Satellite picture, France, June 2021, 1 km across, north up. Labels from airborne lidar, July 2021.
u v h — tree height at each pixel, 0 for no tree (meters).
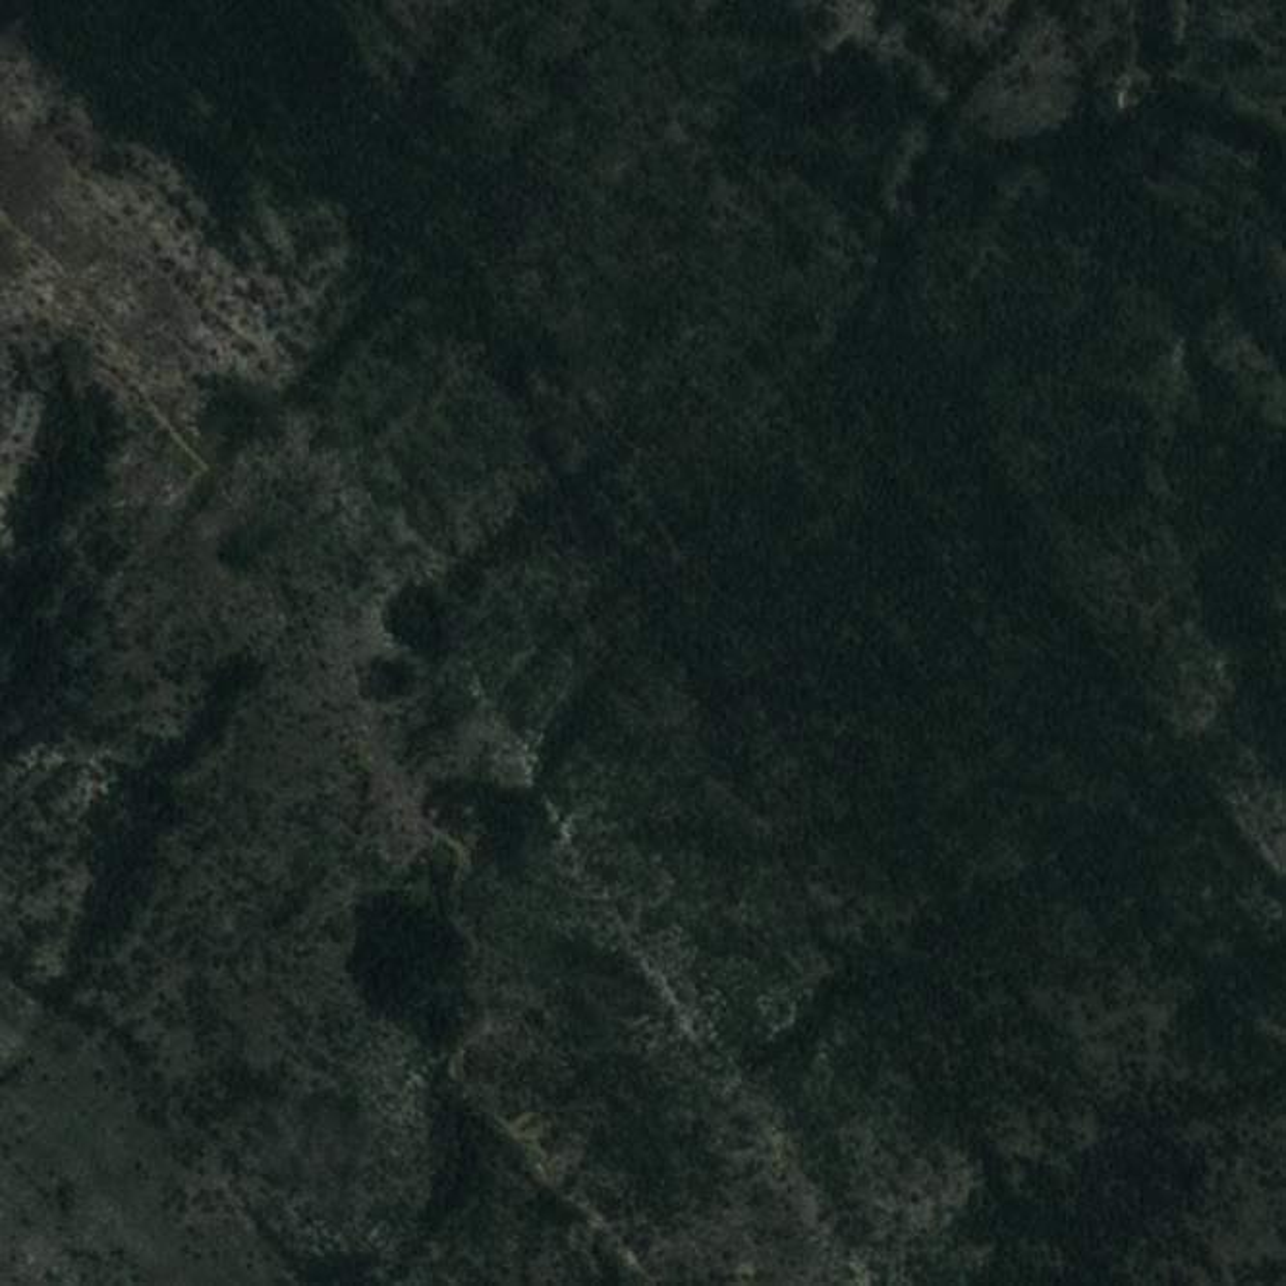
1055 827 6
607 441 6
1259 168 7
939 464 7
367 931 10
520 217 8
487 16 6
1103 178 9
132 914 6
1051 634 6
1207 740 7
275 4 12
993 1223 8
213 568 0
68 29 10
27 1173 0
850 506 7
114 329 0
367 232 10
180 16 10
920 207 8
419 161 8
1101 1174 9
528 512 11
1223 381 6
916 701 6
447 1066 6
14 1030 0
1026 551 7
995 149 9
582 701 8
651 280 7
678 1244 0
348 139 8
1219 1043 6
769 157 9
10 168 0
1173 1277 7
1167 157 11
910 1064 7
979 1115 7
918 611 9
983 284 6
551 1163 0
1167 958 7
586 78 7
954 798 6
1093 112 12
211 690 6
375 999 7
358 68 8
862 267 12
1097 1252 9
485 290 6
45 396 7
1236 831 7
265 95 7
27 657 6
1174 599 6
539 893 0
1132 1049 7
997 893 8
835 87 13
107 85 8
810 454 7
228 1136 0
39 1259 0
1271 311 8
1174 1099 10
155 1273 0
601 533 7
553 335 7
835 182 8
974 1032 9
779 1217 0
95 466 6
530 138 8
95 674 6
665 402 6
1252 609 11
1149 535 7
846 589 8
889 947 7
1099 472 7
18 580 11
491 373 7
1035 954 6
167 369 0
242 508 0
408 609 7
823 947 8
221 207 8
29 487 6
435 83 8
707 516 7
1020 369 6
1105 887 8
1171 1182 7
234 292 7
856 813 8
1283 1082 6
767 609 7
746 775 6
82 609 8
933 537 7
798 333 9
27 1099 0
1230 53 6
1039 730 6
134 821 6
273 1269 0
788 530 9
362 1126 0
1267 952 7
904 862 7
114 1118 0
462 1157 9
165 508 0
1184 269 9
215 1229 0
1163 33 10
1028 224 9
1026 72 7
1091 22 9
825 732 6
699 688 7
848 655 8
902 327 10
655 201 8
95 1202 0
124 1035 7
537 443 7
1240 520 9
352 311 6
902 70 9
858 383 6
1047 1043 7
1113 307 8
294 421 0
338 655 0
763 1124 0
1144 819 6
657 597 10
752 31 8
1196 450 10
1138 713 8
